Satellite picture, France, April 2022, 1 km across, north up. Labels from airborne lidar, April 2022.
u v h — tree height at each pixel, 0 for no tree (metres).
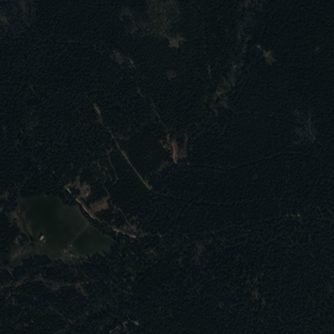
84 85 27
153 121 31
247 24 26
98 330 26
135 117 33
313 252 22
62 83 27
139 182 9
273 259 20
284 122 19
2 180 27
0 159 26
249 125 20
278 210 23
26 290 10
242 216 26
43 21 26
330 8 29
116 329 33
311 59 21
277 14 18
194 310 23
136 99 30
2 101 27
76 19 27
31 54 29
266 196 23
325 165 23
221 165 21
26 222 0
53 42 30
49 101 29
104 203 6
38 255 0
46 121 27
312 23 24
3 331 8
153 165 9
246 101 27
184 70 32
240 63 26
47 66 28
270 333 26
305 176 22
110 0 26
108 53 25
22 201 0
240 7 26
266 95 26
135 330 26
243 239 9
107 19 28
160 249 24
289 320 23
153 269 12
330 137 26
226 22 29
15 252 10
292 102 18
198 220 27
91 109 25
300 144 23
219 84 15
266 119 20
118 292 29
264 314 18
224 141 24
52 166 27
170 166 6
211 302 21
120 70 26
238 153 24
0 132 24
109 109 29
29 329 9
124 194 13
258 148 22
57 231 0
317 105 26
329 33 25
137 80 29
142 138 9
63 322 8
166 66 30
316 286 28
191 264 12
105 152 25
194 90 31
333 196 23
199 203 11
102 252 0
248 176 23
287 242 22
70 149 28
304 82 25
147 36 25
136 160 10
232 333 21
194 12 22
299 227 22
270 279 21
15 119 27
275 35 26
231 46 22
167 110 31
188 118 29
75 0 26
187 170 23
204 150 25
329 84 24
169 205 26
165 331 23
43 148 6
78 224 0
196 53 24
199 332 23
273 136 23
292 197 22
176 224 27
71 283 7
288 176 33
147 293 9
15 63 28
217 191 28
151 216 27
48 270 7
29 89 25
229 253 22
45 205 0
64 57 27
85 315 26
